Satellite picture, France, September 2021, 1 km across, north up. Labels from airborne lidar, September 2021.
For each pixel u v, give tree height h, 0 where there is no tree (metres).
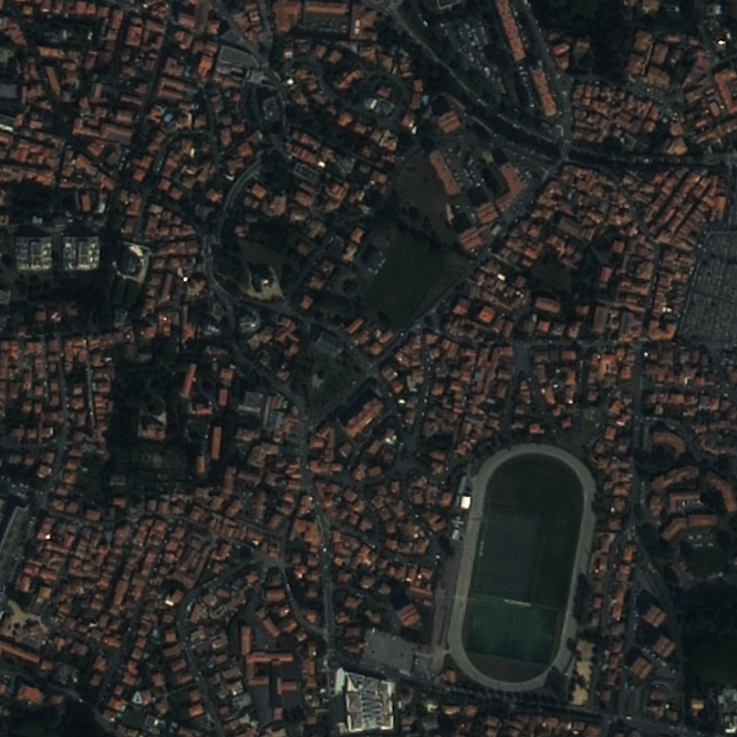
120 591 0
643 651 0
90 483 0
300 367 11
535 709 9
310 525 0
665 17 17
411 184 0
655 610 0
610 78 12
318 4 0
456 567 0
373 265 0
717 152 6
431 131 12
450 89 17
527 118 14
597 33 15
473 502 0
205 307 9
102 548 0
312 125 9
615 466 0
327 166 5
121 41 7
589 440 0
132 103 9
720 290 0
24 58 12
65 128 11
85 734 13
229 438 14
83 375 5
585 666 0
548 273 0
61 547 0
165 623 7
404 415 9
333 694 0
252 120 9
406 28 0
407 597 0
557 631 0
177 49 12
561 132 0
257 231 18
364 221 6
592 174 0
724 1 10
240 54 0
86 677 14
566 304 13
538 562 0
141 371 9
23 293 10
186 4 0
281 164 25
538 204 6
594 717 8
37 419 8
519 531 0
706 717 13
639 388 0
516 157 0
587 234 0
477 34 0
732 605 12
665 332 0
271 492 8
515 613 0
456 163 0
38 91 0
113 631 8
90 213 7
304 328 11
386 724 0
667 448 0
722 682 0
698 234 6
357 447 0
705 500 11
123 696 9
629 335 0
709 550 0
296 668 0
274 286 0
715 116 10
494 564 0
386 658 0
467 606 0
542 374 0
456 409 0
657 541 18
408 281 0
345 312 21
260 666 9
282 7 0
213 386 10
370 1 0
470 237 0
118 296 11
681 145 0
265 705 0
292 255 19
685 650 13
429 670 0
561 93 0
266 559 0
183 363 16
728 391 0
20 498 0
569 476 0
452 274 0
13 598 12
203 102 8
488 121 16
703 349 6
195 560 0
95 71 11
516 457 0
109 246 14
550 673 0
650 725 0
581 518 0
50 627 0
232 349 10
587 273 8
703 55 0
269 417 0
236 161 0
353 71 0
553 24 13
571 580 0
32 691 0
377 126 12
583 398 8
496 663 0
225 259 16
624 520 6
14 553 0
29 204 8
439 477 0
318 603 6
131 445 11
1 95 0
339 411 7
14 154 0
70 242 0
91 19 6
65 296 11
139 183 9
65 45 7
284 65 8
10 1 9
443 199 0
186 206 10
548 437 9
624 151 8
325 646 7
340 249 0
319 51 0
